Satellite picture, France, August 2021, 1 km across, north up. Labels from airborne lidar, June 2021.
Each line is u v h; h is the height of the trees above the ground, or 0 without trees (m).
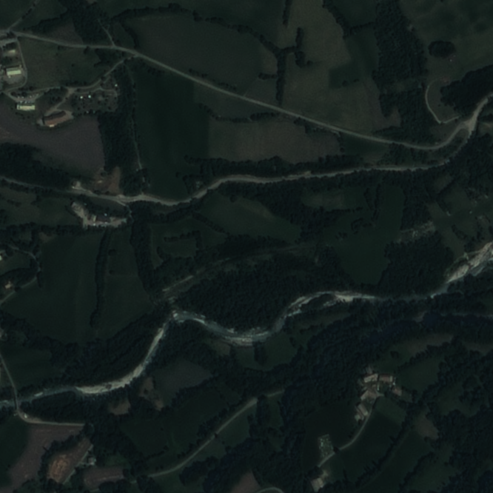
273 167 14
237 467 28
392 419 0
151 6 0
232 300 19
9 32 0
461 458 17
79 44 0
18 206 7
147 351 8
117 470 0
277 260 13
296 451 16
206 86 0
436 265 16
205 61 0
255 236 0
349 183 17
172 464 0
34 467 0
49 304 0
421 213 13
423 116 8
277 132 0
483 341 25
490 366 22
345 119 0
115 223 0
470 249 16
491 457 13
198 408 0
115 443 27
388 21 7
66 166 0
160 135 0
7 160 17
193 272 17
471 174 8
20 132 0
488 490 26
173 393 0
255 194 20
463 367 16
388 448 0
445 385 21
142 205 17
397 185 17
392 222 0
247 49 0
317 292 7
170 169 0
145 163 0
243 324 18
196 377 0
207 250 7
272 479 24
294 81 0
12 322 24
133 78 0
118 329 0
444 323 28
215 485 20
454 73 0
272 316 18
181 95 0
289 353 0
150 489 24
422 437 0
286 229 0
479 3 0
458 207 0
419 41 11
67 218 0
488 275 6
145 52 0
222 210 0
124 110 11
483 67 0
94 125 0
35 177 23
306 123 10
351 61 0
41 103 0
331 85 0
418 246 10
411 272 13
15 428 0
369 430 0
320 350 19
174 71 0
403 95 7
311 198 0
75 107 6
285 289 16
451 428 26
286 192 19
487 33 0
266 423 28
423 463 14
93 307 0
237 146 0
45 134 0
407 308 26
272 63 0
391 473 0
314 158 0
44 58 0
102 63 9
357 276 0
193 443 0
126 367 14
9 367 0
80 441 15
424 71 15
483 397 21
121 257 0
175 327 15
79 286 0
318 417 0
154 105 0
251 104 0
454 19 0
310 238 24
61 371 25
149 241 14
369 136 0
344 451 0
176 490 0
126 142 8
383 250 0
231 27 7
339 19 11
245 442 0
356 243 0
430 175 18
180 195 0
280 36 0
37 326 0
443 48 20
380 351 28
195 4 0
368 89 0
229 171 16
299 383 27
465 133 0
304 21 0
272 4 0
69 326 0
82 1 15
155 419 22
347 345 28
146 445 0
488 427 25
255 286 22
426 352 0
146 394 9
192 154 0
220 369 16
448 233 0
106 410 21
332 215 15
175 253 0
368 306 12
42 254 8
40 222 0
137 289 0
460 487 20
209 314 14
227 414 18
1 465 0
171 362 19
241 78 0
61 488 9
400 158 12
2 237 20
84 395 0
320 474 15
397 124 0
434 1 0
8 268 0
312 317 12
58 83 0
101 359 23
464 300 26
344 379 15
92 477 0
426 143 9
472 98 21
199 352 19
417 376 0
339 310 11
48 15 0
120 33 0
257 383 16
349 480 13
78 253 0
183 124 0
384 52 10
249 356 0
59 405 16
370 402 0
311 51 0
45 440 0
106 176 6
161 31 0
